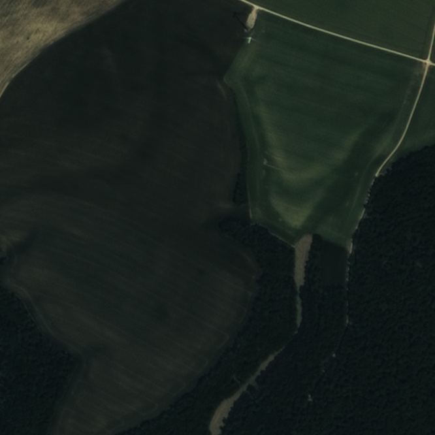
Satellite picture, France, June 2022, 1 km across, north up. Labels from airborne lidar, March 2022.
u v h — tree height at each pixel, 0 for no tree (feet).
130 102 0
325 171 0
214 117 0
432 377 45
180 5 0
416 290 58
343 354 57
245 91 0
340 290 54
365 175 0
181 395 0
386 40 0
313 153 0
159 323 0
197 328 0
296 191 0
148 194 0
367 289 55
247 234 70
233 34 0
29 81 0
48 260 0
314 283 78
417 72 0
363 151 0
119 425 0
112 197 0
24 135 0
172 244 0
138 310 0
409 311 58
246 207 0
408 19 0
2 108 0
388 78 0
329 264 0
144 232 0
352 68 0
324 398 52
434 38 0
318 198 0
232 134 0
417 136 0
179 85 0
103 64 0
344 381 39
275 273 80
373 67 0
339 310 65
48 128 0
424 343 69
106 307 0
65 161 0
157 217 0
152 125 0
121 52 0
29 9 0
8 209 0
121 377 0
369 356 63
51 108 0
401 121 0
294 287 80
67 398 0
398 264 48
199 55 0
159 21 0
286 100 0
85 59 0
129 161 0
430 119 0
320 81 0
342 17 0
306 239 0
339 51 0
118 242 0
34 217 0
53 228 0
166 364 0
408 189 24
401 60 0
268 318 76
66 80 0
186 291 0
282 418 69
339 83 0
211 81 0
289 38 0
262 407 63
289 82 0
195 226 0
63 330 0
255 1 0
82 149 0
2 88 0
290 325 79
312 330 68
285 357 71
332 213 0
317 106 0
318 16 0
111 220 0
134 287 0
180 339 0
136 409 0
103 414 0
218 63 0
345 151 0
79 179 0
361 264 54
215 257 0
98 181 0
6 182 0
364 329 55
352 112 0
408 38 0
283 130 0
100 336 0
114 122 0
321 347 67
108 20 0
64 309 0
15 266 0
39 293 0
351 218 0
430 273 60
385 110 0
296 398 78
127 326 0
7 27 0
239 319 0
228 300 0
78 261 0
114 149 0
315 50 0
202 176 0
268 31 0
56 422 0
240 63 0
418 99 0
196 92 0
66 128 0
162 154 0
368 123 0
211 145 0
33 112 0
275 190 0
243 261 0
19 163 0
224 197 0
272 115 0
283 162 0
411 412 43
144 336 0
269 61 0
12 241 0
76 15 0
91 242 0
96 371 0
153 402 0
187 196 0
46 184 0
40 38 0
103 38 0
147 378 0
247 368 66
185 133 0
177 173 0
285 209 0
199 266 0
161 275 0
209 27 0
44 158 0
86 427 0
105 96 0
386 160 0
